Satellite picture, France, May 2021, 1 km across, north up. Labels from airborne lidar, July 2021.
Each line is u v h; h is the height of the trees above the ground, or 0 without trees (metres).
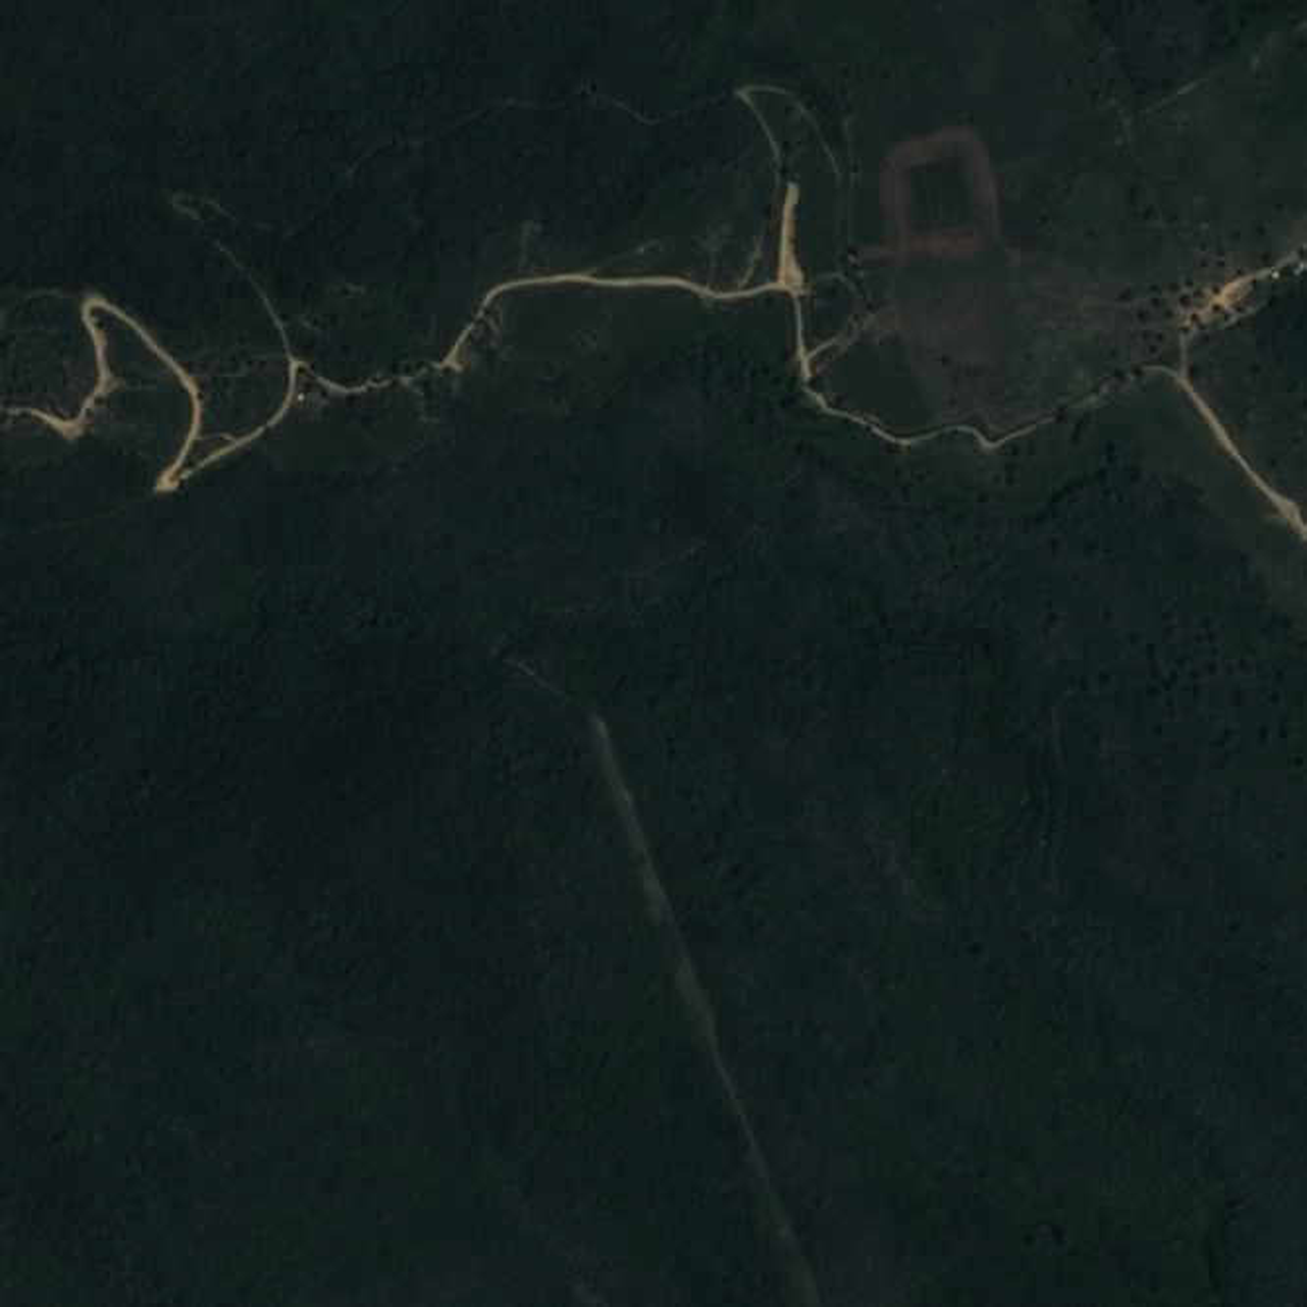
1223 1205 10
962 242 0
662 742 6
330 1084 8
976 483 0
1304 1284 6
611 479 6
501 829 9
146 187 12
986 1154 9
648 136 9
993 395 0
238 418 8
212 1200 7
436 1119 9
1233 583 5
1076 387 0
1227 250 7
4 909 6
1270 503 0
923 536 6
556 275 0
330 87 12
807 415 11
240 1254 8
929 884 6
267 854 11
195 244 9
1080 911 9
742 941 9
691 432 7
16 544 9
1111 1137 6
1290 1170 8
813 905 6
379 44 10
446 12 14
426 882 12
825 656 8
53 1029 9
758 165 0
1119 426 0
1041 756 8
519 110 7
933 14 0
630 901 7
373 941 10
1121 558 7
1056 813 8
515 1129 9
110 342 0
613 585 6
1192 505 6
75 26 11
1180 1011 6
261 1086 6
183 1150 6
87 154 10
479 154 7
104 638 11
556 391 6
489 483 9
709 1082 7
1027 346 0
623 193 9
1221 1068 6
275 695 9
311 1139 6
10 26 9
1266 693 10
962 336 0
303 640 11
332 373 9
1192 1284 6
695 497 10
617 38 6
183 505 9
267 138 20
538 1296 9
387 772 14
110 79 10
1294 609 0
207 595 9
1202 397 0
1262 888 5
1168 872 8
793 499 7
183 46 8
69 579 13
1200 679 16
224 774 10
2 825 7
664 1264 6
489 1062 11
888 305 0
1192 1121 8
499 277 0
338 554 9
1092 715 7
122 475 10
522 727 9
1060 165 0
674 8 10
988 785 8
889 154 0
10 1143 9
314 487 10
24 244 7
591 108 7
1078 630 7
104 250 15
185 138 15
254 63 6
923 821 10
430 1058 12
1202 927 8
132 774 11
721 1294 7
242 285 6
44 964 8
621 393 6
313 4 11
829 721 7
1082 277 0
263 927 7
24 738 7
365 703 15
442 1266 6
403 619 11
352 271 9
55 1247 8
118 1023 6
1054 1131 6
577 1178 9
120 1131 7
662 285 0
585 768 7
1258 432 0
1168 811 6
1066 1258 6
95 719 11
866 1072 7
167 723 12
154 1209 8
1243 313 6
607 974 13
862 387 0
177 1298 9
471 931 9
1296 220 0
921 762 6
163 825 9
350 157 9
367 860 8
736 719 5
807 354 0
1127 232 0
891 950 10
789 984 7
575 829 7
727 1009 7
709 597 10
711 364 17
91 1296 7
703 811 8
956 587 6
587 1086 7
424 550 8
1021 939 9
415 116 11
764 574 11
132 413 8
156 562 6
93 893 9
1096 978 12
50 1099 6
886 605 8
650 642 6
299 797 11
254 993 6
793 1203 6
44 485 10
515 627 8
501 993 11
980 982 8
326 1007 9
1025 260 0
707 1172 6
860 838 5
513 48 8
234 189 13
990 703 12
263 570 12
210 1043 7
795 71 10
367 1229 6
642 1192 7
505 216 9
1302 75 0
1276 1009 6
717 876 6
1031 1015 6
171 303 11
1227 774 9
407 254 11
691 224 0
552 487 8
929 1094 6
